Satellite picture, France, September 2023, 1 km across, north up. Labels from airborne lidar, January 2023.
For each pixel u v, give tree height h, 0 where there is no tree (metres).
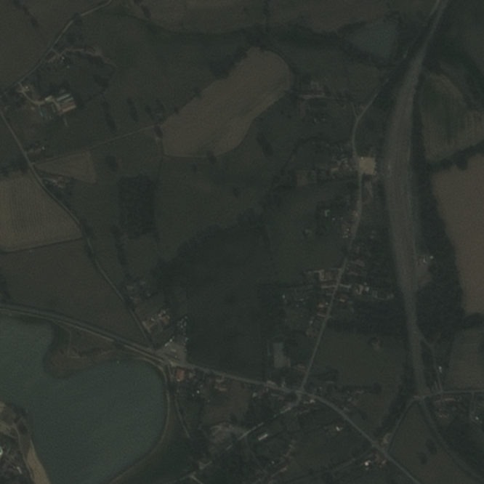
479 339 0
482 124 0
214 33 0
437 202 12
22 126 0
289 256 0
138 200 25
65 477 0
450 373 0
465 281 0
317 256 0
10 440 9
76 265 0
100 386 0
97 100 0
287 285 10
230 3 0
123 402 0
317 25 0
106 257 0
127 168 0
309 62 0
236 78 0
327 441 0
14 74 0
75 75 0
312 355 0
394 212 0
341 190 0
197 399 11
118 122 0
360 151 0
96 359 0
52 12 0
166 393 0
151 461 0
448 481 0
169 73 0
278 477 0
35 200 0
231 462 15
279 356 0
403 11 0
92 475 0
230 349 0
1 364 0
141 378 0
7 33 0
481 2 0
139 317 0
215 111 0
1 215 0
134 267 0
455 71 0
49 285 0
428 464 0
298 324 0
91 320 0
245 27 0
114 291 0
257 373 0
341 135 0
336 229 0
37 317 0
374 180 0
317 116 8
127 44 0
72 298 0
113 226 0
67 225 0
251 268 0
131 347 0
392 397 0
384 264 11
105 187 0
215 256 0
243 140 0
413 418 0
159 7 0
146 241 0
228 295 0
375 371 0
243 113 0
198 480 0
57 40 0
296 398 10
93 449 0
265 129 0
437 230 11
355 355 0
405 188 0
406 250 0
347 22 0
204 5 0
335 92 0
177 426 0
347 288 0
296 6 0
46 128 0
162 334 0
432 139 0
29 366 0
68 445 0
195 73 0
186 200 0
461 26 0
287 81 0
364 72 0
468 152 7
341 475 0
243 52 18
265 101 0
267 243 12
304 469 0
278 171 0
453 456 0
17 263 0
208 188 0
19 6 12
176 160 0
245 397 0
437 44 19
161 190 0
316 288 11
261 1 0
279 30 0
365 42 0
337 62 0
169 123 0
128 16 0
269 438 8
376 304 7
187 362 0
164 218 0
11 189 0
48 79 0
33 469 0
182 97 0
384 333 24
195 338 0
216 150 0
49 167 0
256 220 19
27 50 0
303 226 0
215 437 0
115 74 0
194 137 0
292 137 0
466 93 0
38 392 0
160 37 0
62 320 0
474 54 0
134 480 0
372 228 0
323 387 0
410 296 0
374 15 0
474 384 0
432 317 19
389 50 0
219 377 0
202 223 0
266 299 12
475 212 0
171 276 0
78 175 0
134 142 0
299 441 0
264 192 0
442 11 0
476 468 6
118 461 0
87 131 0
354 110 0
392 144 0
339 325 18
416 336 0
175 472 0
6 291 16
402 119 0
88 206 0
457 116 0
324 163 0
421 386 0
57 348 0
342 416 0
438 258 6
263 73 0
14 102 0
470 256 0
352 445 0
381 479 0
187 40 0
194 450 16
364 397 0
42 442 0
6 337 0
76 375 0
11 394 0
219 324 0
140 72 0
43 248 0
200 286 0
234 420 17
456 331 6
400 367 0
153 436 0
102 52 0
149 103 0
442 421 0
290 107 0
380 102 7
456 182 0
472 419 0
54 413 0
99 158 0
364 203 0
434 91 0
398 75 12
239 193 13
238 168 0
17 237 0
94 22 0
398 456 0
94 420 0
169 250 0
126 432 0
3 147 0
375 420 0
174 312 0
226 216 0
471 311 0
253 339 0
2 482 14
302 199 0
